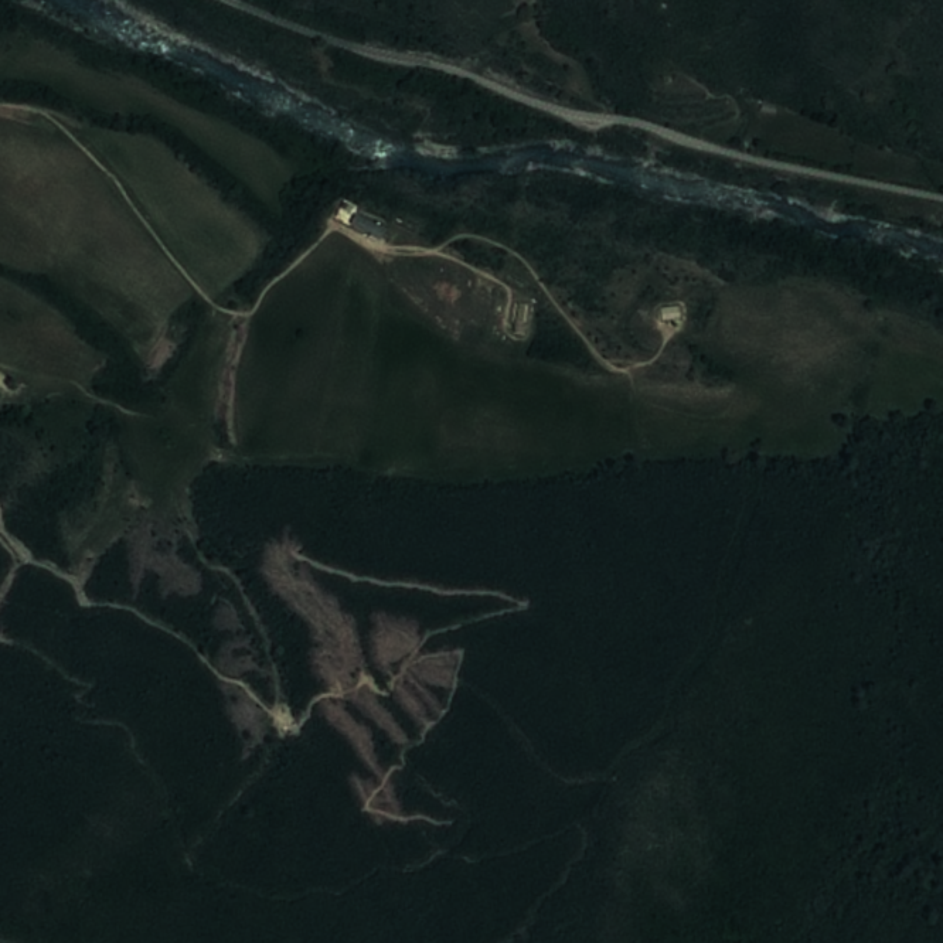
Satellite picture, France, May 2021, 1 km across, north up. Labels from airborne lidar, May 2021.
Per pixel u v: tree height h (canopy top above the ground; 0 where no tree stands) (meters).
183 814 8
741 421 0
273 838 7
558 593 6
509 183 13
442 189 11
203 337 0
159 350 0
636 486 6
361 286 0
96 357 0
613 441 0
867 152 0
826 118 15
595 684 6
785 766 6
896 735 6
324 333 0
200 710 8
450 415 0
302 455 0
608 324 0
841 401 0
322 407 0
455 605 5
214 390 0
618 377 0
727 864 7
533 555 6
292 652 7
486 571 6
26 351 0
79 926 9
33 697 7
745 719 6
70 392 0
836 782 6
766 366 0
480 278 0
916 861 23
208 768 6
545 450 0
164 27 0
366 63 7
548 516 6
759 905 8
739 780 6
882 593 14
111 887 7
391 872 7
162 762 6
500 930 6
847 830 6
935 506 7
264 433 0
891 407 0
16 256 0
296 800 6
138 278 0
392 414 0
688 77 0
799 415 0
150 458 0
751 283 0
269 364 0
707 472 6
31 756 6
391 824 5
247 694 0
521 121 6
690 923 7
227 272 0
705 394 0
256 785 7
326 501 7
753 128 0
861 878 17
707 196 0
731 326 0
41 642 6
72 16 8
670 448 0
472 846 7
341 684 0
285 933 6
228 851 7
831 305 0
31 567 6
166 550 6
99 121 7
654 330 0
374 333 0
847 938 10
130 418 0
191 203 0
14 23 7
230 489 6
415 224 0
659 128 0
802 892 6
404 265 0
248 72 0
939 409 17
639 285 0
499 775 6
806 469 13
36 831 6
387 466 0
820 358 0
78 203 0
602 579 6
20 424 9
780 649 8
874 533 8
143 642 6
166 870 6
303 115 0
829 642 7
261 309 0
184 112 0
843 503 7
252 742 16
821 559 6
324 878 6
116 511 0
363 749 0
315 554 5
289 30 6
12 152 0
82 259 0
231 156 0
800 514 8
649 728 6
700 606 7
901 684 7
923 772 6
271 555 0
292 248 9
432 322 0
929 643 8
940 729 6
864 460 7
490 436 0
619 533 6
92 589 5
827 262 13
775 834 7
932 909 20
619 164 0
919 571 8
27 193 0
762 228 9
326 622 0
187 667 7
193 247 0
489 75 0
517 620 5
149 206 0
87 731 5
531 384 0
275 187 0
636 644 6
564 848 5
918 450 10
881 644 8
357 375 0
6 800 5
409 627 0
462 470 0
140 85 0
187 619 7
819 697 8
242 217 0
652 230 7
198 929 8
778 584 6
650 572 6
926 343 0
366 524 6
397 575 7
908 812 7
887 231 0
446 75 9
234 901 6
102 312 0
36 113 0
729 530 6
